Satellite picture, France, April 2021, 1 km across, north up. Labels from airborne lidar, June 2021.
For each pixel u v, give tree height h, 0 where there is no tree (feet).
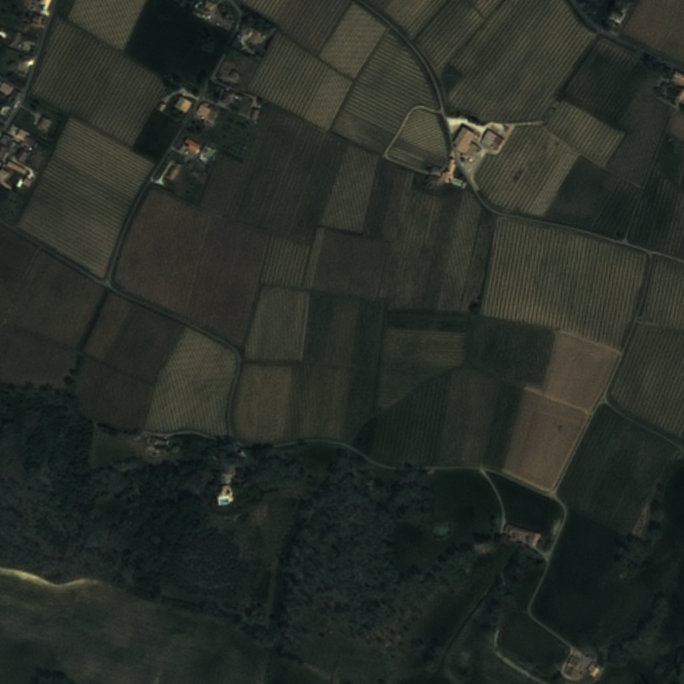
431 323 0
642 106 0
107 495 55
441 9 0
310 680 0
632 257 0
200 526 48
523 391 0
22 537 59
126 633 0
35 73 0
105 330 0
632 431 0
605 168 0
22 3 0
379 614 55
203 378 0
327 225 0
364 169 0
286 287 0
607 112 0
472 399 0
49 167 0
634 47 0
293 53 0
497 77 0
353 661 0
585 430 0
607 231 0
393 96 0
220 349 0
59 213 0
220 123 28
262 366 0
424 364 0
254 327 0
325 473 0
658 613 46
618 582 0
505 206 0
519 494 0
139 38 0
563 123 0
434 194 0
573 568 0
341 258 0
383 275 0
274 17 0
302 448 56
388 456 0
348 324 0
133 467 44
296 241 0
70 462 23
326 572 57
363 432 0
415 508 59
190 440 25
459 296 0
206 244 0
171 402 0
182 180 0
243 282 0
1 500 54
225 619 70
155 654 0
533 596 0
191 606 21
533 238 0
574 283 0
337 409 0
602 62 0
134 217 0
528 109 0
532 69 0
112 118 0
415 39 0
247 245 0
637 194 0
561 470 0
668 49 0
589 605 0
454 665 0
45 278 0
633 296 0
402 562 0
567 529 0
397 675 0
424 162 0
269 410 0
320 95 0
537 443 0
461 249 0
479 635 0
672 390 0
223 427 0
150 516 92
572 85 0
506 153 0
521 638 0
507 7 0
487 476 0
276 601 0
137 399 0
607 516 0
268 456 45
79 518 33
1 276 0
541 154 0
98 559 75
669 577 0
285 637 48
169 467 48
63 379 0
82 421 39
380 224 0
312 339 0
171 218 0
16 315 0
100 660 0
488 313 0
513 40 0
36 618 0
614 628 0
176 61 0
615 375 0
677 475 0
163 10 0
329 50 0
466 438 0
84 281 0
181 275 0
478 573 0
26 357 0
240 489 45
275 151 0
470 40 0
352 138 0
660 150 0
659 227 0
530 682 0
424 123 0
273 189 0
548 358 0
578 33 0
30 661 0
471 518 0
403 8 0
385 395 0
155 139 0
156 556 94
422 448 0
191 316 0
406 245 0
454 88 0
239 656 0
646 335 0
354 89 0
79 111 0
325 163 0
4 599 0
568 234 0
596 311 0
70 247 0
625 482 0
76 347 0
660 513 65
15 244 0
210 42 50
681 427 0
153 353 0
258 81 0
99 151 0
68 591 0
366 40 0
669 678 0
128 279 0
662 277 0
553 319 0
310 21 0
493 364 0
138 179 0
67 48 0
